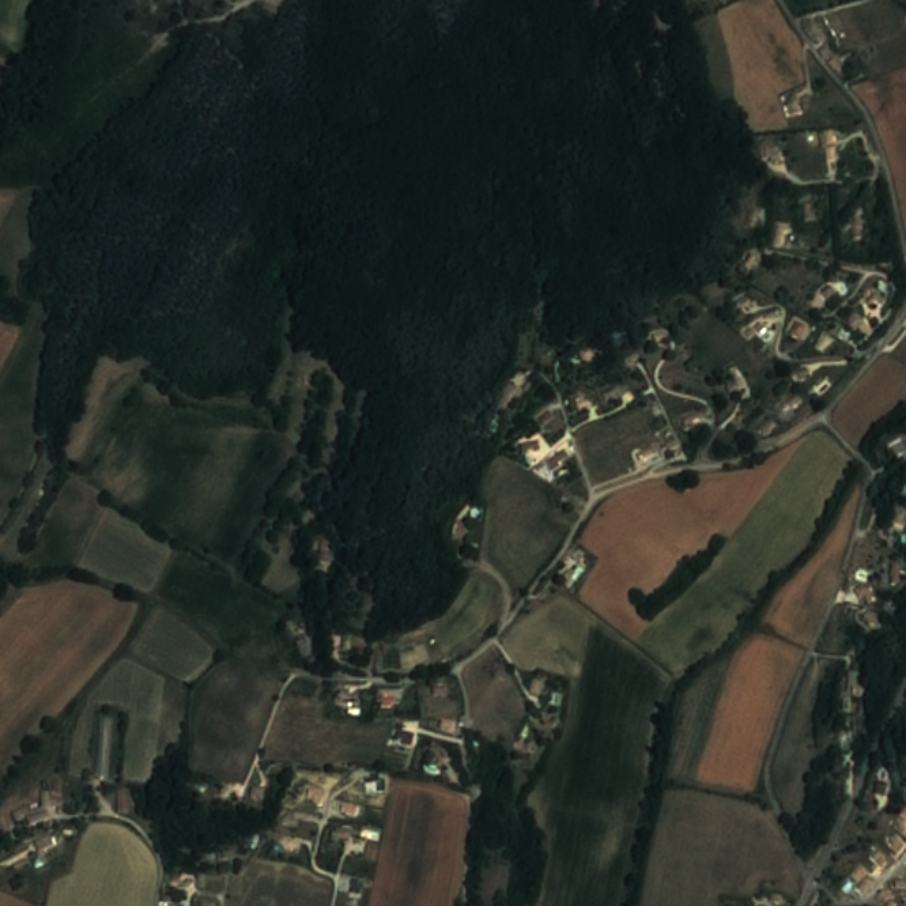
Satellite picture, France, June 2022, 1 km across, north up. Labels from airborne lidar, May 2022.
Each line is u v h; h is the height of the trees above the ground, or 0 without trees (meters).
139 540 0
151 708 0
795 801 0
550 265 21
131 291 15
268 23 6
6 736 0
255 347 11
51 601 0
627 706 0
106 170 15
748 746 0
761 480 0
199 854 13
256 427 10
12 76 34
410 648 0
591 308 13
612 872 0
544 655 0
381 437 16
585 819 0
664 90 9
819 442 0
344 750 0
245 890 0
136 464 0
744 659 0
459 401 23
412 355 18
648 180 10
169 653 0
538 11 14
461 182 10
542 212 18
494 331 21
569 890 0
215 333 8
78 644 0
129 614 0
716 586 0
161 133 14
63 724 0
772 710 0
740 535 0
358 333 19
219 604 0
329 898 0
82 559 0
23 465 0
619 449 0
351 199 15
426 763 9
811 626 0
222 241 11
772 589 12
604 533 0
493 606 0
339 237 23
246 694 0
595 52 18
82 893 0
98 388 0
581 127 18
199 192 15
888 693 11
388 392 20
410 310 14
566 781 0
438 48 13
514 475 0
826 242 6
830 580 0
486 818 15
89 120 0
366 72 11
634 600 12
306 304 28
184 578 0
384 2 15
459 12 13
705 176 18
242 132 12
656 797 18
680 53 14
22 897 0
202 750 0
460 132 15
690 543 0
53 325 13
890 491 16
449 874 0
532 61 15
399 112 19
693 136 15
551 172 13
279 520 8
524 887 16
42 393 15
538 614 0
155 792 19
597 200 14
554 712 17
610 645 0
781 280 0
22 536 8
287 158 13
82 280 13
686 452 15
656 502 0
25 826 7
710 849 0
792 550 0
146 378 12
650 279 15
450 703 0
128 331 14
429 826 0
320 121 19
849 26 0
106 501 14
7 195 0
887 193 6
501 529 0
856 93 0
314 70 18
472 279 11
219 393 14
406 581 11
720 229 21
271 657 0
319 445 11
